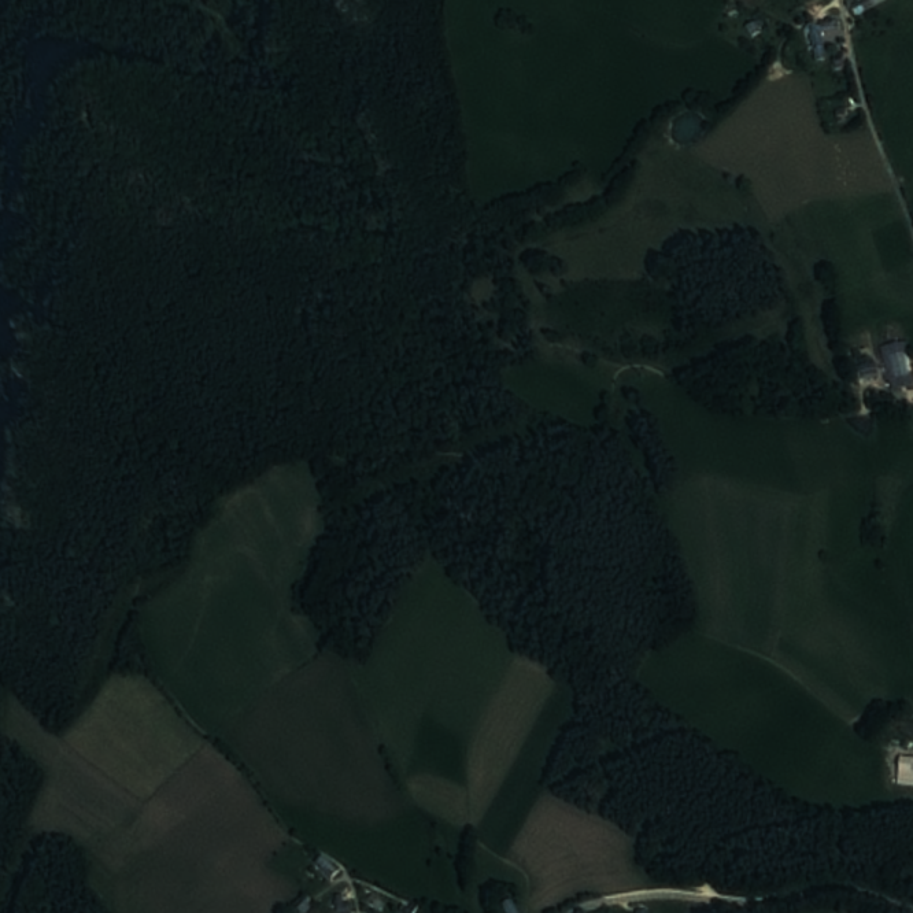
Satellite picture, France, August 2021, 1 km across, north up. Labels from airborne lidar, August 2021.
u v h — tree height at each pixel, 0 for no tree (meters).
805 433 0
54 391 13
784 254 0
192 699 0
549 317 0
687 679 0
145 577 15
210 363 22
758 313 17
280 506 0
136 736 0
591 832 0
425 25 18
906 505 0
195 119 21
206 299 20
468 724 0
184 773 0
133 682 0
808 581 0
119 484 25
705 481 0
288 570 0
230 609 0
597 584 32
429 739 0
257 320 23
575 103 0
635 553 32
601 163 0
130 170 14
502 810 0
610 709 23
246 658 0
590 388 0
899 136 0
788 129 0
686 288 32
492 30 0
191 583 0
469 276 8
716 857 29
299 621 0
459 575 21
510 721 0
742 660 0
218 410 27
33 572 19
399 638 0
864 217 0
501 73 0
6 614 9
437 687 0
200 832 0
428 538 22
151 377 21
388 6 8
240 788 0
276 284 27
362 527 11
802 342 23
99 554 21
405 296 25
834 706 0
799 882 28
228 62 26
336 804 0
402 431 31
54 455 13
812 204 0
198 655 0
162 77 16
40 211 19
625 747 24
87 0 22
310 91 17
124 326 26
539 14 0
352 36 13
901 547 0
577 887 0
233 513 0
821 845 28
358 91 13
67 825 0
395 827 0
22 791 19
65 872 20
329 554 23
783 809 26
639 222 0
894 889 28
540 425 8
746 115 0
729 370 27
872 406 9
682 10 0
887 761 0
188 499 23
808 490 0
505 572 25
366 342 23
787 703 0
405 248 22
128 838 0
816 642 0
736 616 0
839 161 0
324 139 20
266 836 0
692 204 0
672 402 0
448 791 0
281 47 6
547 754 0
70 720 18
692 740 20
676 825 26
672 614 19
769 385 6
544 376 0
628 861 0
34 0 26
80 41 20
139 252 20
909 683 0
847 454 0
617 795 18
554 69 0
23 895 19
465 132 12
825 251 0
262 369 27
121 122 14
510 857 0
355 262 28
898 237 0
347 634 16
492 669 0
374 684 0
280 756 0
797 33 14
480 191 0
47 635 13
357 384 27
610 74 0
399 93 16
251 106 19
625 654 28
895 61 0
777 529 0
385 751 12
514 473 29
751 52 10
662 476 30
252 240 22
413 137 10
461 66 0
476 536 13
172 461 25
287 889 0
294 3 12
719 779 29
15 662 17
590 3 0
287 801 0
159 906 0
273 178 29
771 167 0
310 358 29
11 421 20
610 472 32
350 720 0
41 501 6
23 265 16
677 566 18
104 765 0
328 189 32
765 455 0
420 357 24
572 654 22
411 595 0
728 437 0
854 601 0
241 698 0
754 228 0
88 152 14
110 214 12
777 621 0
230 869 0
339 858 0
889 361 0
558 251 0
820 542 0
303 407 27
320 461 25
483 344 17
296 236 10
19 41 21
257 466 21
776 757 0
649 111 0
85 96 13
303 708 0
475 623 0
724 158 0
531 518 34
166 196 14
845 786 0
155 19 28
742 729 0
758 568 0
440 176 11
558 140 0
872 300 0
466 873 20
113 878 0
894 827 31
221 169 25
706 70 0
